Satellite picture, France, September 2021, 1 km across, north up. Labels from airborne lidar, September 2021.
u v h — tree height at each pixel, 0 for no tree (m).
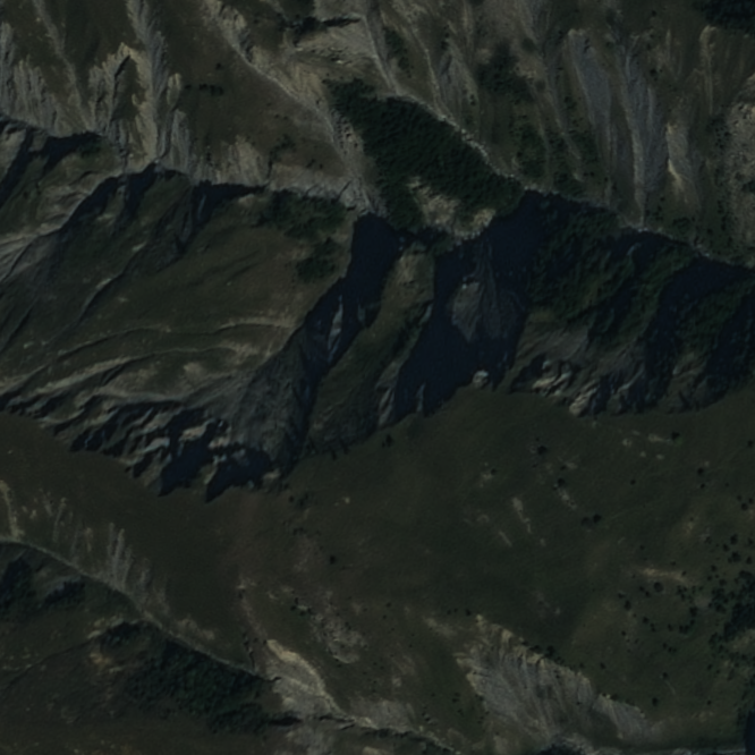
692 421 0
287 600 0
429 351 0
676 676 0
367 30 0
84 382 0
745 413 0
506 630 0
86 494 0
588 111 0
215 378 0
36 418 0
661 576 0
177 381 0
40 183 0
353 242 0
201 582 0
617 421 0
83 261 0
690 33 0
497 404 0
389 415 0
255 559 0
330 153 0
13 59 0
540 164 8
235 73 0
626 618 0
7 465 0
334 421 0
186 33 0
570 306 6
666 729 0
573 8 0
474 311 0
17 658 0
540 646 0
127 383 0
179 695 9
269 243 0
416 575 0
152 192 0
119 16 0
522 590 0
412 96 0
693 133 0
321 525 0
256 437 0
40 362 0
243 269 0
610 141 0
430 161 8
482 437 0
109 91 0
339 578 0
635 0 0
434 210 0
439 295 0
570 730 0
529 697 0
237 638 0
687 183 0
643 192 0
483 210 13
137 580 0
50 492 0
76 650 0
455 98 0
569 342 0
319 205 6
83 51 0
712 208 0
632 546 0
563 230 9
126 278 0
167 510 0
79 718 0
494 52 0
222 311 0
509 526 0
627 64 0
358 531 0
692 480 0
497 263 0
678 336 19
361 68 0
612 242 0
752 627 13
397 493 0
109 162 0
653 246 6
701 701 0
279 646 0
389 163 12
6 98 0
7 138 0
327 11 0
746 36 9
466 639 0
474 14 0
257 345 0
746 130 0
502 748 0
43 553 0
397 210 10
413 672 0
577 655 0
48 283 0
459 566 0
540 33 0
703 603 0
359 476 0
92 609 0
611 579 0
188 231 0
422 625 0
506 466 0
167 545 0
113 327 0
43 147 0
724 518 0
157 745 0
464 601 0
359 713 0
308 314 0
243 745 0
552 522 0
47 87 0
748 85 0
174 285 0
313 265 8
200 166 0
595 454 0
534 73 0
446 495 0
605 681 0
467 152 17
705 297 7
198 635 0
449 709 0
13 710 0
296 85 0
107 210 0
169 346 0
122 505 0
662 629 0
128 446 0
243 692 14
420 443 0
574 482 0
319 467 0
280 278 0
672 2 0
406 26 0
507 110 0
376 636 0
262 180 0
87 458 0
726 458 0
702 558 0
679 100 0
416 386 0
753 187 7
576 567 0
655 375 10
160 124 0
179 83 0
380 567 0
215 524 0
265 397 0
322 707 0
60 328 0
